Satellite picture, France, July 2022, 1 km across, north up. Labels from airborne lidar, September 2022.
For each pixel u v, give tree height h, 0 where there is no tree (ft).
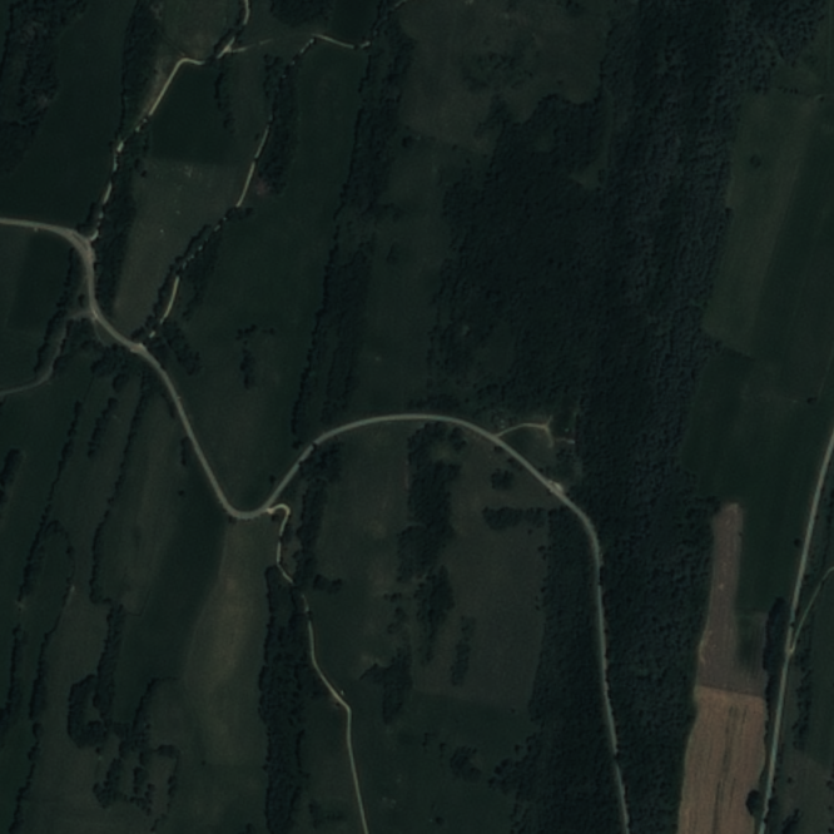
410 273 0
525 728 0
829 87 0
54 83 35
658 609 81
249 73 0
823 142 0
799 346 0
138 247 0
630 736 62
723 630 0
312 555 28
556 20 0
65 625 0
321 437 0
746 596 0
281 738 47
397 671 18
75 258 33
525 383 31
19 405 0
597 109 27
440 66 0
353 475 0
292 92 41
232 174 0
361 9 0
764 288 0
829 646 0
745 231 0
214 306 0
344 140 0
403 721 0
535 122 28
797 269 0
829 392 0
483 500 0
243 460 0
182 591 0
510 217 29
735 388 0
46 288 0
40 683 44
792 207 0
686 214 47
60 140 0
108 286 57
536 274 39
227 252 0
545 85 0
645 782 64
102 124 0
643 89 40
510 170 24
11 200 0
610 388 40
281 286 0
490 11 0
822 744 0
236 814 0
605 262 22
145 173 32
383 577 0
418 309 0
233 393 0
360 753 0
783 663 54
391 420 0
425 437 26
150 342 35
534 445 0
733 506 0
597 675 43
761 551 0
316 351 23
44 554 50
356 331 23
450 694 0
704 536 55
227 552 0
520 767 32
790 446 0
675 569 35
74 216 0
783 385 0
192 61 0
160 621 0
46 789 0
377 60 36
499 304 36
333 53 0
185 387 0
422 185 0
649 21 47
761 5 29
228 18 0
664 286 49
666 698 46
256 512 0
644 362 47
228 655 0
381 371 0
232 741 0
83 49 0
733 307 0
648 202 41
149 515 0
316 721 0
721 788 0
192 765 0
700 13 58
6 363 0
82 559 0
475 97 0
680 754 48
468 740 0
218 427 0
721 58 67
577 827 55
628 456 37
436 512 34
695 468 0
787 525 0
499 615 0
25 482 0
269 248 0
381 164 23
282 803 54
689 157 55
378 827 0
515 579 0
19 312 0
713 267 31
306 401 33
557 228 18
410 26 0
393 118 35
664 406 56
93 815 0
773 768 0
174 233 0
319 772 0
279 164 37
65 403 0
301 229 0
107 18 0
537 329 24
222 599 0
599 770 52
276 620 41
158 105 0
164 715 0
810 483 0
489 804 0
